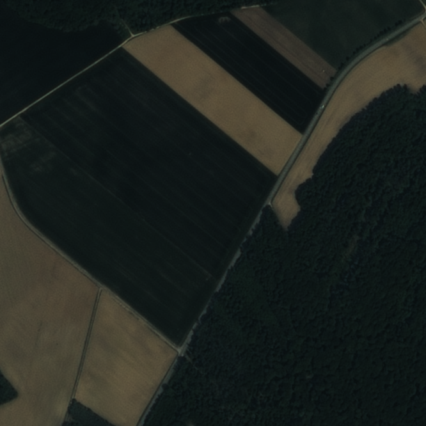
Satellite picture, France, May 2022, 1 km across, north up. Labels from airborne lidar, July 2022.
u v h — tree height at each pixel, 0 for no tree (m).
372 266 33
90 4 30
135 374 0
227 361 29
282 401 30
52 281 0
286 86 0
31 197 0
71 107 0
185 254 0
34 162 0
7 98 0
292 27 0
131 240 0
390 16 0
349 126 15
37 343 0
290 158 0
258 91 0
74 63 0
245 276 20
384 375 27
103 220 0
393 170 29
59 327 0
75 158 0
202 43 0
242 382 27
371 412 30
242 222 0
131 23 7
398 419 29
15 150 0
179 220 0
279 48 0
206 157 0
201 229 0
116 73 0
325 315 24
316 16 0
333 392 28
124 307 0
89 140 0
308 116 0
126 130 0
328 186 29
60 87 0
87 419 16
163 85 0
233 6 21
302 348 32
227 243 0
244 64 0
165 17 16
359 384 32
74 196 0
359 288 32
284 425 10
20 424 0
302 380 26
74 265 0
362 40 0
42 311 0
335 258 28
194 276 0
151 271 0
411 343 28
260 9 0
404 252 33
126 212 0
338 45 0
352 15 0
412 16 0
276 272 29
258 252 24
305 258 23
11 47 0
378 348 18
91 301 0
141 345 0
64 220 0
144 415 0
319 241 32
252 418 12
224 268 0
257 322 30
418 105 21
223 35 0
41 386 0
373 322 28
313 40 0
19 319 0
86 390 0
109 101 0
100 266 0
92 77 0
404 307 21
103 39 0
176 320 0
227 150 0
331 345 29
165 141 0
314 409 28
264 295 18
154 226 0
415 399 30
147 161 0
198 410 21
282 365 31
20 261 0
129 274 0
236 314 23
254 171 0
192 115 0
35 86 0
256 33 0
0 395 24
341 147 22
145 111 0
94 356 0
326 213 33
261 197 0
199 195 0
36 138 0
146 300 0
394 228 19
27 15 18
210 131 0
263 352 31
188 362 14
